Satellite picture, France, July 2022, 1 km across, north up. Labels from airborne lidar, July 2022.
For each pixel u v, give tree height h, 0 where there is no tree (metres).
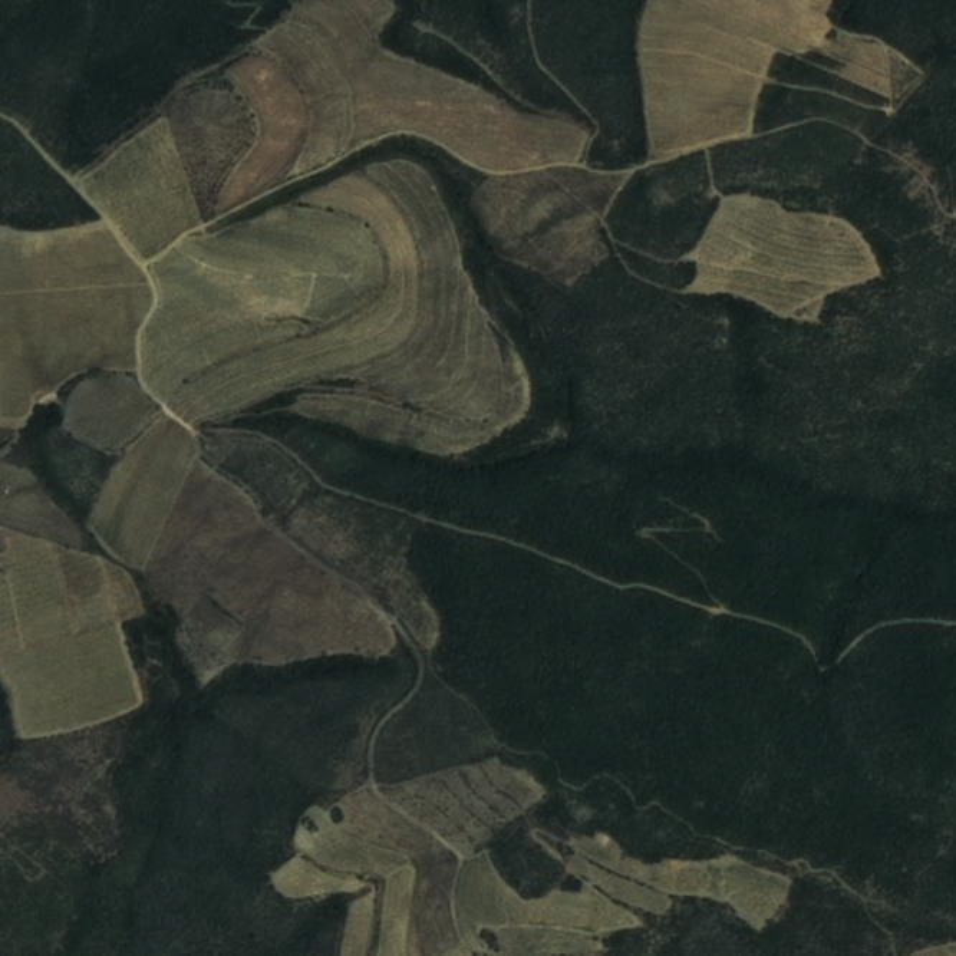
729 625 6
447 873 0
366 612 0
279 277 0
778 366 7
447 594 7
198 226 0
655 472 7
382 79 0
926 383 7
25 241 0
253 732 0
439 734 0
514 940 0
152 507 0
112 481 0
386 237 0
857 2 6
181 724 7
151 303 0
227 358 0
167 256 0
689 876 0
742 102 0
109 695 0
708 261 0
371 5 0
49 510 0
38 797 0
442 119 0
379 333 0
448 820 0
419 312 0
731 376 7
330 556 0
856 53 0
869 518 8
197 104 0
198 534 0
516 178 0
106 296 0
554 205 0
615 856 0
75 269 0
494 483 6
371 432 0
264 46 0
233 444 0
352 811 0
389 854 0
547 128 0
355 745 0
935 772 5
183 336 0
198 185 0
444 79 0
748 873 0
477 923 0
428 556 6
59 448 0
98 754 0
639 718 6
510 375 0
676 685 6
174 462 0
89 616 0
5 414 0
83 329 0
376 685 0
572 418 8
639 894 0
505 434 7
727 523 7
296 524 0
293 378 0
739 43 0
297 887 0
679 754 6
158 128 0
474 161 0
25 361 0
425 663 0
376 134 0
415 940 0
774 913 0
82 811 0
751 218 0
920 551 5
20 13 8
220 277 0
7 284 0
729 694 5
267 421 6
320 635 0
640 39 0
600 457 8
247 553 0
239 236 0
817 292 0
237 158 0
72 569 0
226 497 0
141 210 0
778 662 6
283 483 0
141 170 0
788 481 13
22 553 0
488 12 7
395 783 0
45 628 0
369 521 0
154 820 7
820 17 0
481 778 0
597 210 0
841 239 0
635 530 6
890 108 0
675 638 5
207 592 0
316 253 0
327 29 0
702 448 7
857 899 0
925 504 8
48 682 0
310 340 0
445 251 0
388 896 0
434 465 6
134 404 0
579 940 0
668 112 0
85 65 5
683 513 6
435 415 0
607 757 6
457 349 0
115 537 0
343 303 0
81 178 0
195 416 0
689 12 0
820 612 6
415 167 0
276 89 0
